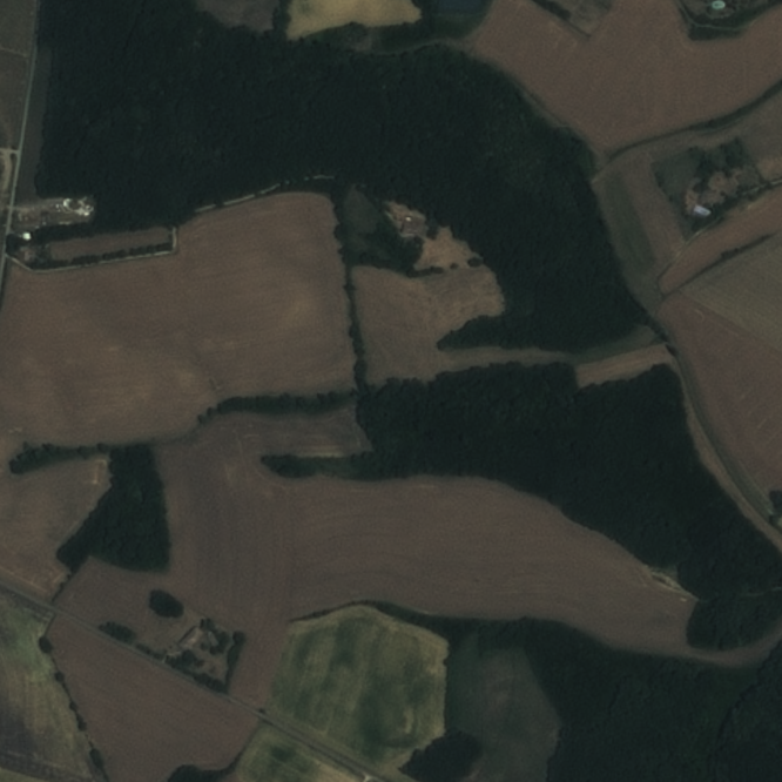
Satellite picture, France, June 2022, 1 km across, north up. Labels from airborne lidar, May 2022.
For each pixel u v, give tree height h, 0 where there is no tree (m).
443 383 18
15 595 0
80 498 0
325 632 0
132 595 0
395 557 0
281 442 0
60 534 0
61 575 0
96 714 0
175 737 0
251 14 0
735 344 0
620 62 0
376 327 0
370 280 0
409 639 0
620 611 0
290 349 0
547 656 9
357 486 0
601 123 0
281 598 0
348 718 0
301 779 0
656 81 0
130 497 11
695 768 11
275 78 17
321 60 22
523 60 0
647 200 0
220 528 0
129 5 19
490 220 18
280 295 0
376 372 0
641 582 0
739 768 16
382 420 16
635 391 14
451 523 0
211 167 18
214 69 22
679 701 22
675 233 0
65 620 0
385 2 0
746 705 20
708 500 14
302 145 17
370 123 20
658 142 0
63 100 14
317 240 0
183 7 18
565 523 0
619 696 19
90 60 17
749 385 0
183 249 0
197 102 24
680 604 0
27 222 0
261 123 19
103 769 6
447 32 0
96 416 0
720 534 13
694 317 0
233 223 0
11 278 0
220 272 0
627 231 0
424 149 21
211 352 0
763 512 0
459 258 0
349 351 0
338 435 0
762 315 0
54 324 0
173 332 0
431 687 0
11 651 0
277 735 0
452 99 22
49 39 14
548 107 0
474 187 19
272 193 6
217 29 22
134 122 22
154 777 0
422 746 0
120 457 13
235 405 16
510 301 10
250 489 0
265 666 0
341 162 15
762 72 0
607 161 0
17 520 0
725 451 0
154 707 0
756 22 0
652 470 22
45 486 0
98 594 0
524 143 20
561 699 10
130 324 0
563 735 13
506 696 0
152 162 23
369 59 21
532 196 14
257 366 0
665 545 23
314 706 0
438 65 18
